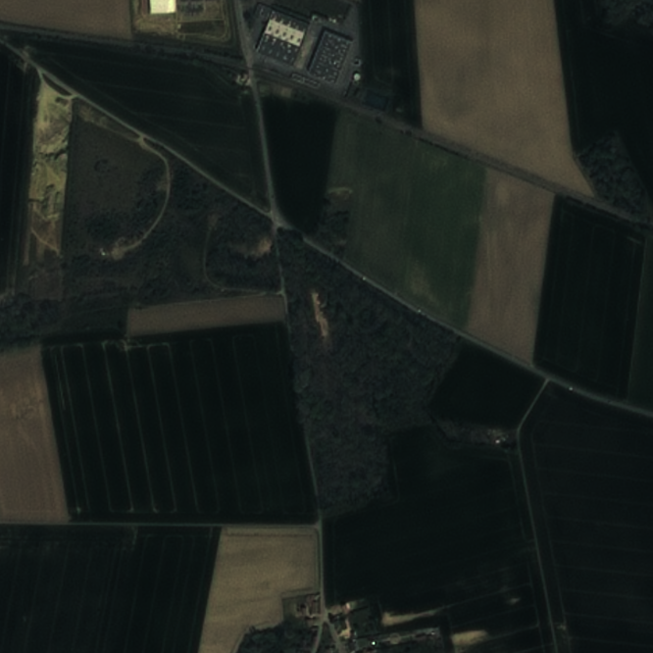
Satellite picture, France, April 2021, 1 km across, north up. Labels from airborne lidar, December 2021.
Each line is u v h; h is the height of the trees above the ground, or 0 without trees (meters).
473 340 0
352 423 18
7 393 0
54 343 0
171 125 0
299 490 0
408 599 0
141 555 0
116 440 0
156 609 0
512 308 0
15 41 0
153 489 0
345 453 19
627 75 0
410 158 0
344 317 23
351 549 0
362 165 0
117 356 0
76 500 0
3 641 0
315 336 22
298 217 0
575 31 0
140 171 0
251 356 0
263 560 0
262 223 15
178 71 0
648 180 0
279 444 0
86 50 0
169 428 0
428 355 26
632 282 0
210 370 0
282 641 10
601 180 17
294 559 0
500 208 0
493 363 0
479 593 0
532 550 0
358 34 0
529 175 0
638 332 0
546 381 0
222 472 0
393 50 0
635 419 0
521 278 0
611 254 0
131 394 0
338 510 24
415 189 0
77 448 0
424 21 0
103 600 0
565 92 0
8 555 0
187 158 0
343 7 0
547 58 0
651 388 0
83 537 0
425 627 0
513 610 0
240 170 0
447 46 0
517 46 0
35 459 0
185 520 0
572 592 0
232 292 0
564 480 0
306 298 15
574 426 0
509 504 0
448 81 0
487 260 0
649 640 0
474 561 0
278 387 0
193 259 0
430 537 0
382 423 13
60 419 0
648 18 18
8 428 0
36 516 0
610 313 0
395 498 0
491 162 0
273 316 0
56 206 0
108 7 0
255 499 0
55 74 0
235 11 0
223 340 0
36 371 0
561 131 0
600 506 0
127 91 0
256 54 0
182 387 0
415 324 26
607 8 8
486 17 0
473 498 0
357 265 0
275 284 25
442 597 0
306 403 31
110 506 0
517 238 0
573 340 0
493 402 0
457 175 0
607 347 0
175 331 0
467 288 0
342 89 0
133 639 0
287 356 0
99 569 0
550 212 0
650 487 0
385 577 0
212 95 0
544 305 0
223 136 0
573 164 0
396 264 0
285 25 0
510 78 0
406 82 0
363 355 25
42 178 0
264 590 0
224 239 9
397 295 0
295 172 0
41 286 0
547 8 0
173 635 0
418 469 0
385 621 0
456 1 0
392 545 0
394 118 0
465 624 0
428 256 0
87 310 0
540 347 0
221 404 0
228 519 0
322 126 0
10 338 21
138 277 0
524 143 0
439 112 0
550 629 0
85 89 0
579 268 0
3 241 0
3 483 0
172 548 0
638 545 0
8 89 0
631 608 0
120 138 0
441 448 0
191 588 0
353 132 0
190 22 0
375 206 0
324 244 16
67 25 0
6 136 0
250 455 0
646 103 0
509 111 0
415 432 0
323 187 0
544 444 0
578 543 0
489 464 0
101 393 0
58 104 0
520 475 0
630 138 0
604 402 0
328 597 0
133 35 0
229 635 0
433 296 0
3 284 0
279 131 0
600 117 0
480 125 0
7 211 0
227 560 0
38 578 0
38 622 0
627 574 0
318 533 0
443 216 0
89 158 0
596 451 0
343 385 19
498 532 0
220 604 0
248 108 0
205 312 0
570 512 0
